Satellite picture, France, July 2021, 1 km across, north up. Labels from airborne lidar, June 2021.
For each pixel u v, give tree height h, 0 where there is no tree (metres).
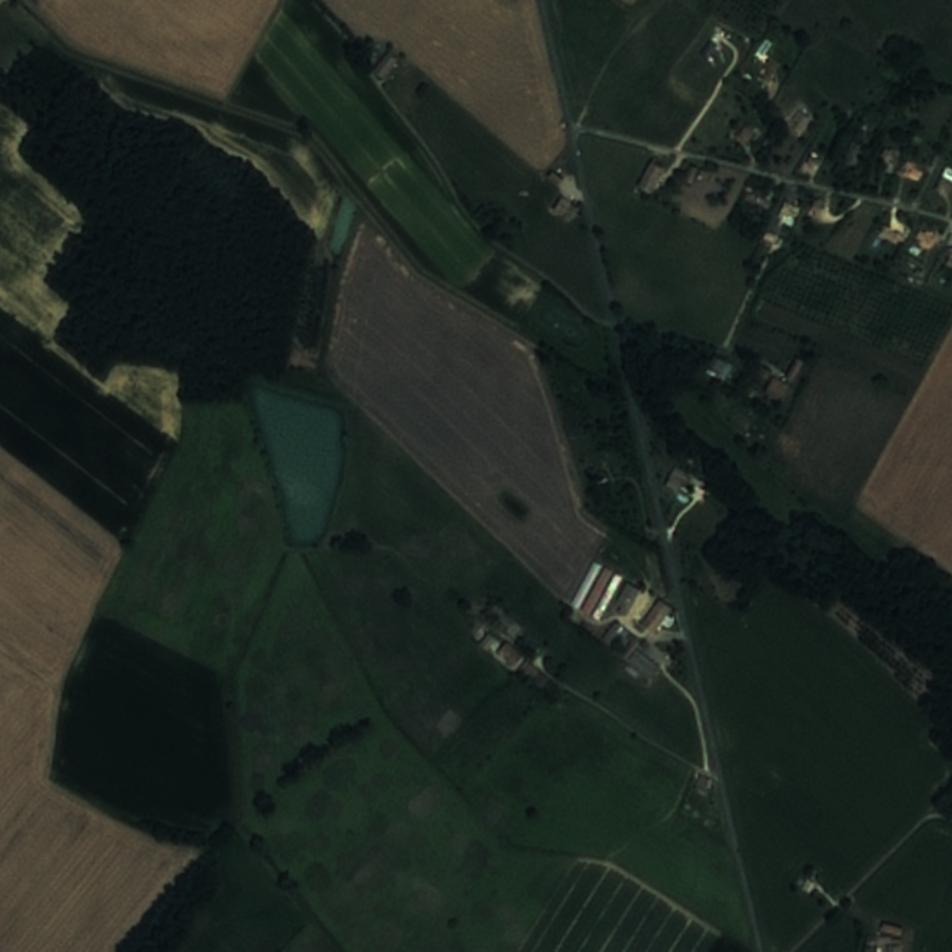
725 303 0
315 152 0
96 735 0
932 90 9
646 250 0
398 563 0
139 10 0
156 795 0
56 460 0
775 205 8
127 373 0
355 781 0
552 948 0
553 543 0
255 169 19
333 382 0
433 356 0
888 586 24
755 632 0
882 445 0
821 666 0
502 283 0
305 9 0
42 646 0
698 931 0
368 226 0
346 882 0
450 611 0
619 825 0
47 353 0
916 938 0
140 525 0
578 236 0
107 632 0
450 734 0
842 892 0
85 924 0
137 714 0
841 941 0
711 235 0
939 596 19
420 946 0
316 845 0
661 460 0
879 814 0
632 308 0
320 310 13
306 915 0
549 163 0
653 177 0
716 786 0
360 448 0
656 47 0
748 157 6
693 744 0
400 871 0
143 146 22
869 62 0
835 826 0
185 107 0
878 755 0
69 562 0
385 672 0
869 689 0
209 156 19
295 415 0
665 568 7
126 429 0
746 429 0
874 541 0
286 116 0
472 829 0
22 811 0
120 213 20
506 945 0
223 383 19
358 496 0
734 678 0
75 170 17
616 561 0
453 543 0
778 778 0
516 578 0
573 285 0
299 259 23
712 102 0
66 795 0
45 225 0
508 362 0
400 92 0
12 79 22
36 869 0
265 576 0
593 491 8
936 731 12
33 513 0
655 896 0
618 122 0
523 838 0
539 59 0
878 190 11
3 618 0
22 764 0
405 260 0
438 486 0
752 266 10
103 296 23
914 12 0
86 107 25
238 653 0
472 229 0
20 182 0
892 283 8
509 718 0
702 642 0
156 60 0
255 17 0
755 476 0
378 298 0
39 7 0
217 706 0
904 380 0
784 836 0
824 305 8
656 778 0
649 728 0
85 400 0
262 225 20
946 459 0
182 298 23
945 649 27
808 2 0
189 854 0
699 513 0
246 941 0
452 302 0
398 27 0
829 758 0
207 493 0
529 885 0
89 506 0
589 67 0
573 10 0
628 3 0
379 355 0
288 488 0
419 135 0
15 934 0
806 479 0
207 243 20
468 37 0
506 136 0
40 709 0
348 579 0
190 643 0
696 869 0
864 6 0
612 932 0
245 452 0
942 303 6
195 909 16
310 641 0
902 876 0
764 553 25
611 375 9
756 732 0
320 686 0
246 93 0
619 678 0
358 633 0
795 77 0
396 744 0
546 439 0
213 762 0
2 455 0
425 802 0
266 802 14
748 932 0
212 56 0
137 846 0
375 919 0
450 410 0
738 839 0
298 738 0
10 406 0
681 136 0
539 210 0
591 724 0
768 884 0
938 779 0
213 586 0
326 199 0
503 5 0
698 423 0
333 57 0
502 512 0
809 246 7
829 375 0
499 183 0
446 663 0
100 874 0
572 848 0
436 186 0
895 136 11
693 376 23
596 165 0
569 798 0
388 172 0
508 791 0
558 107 0
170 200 24
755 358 26
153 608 0
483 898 0
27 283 0
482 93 0
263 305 20
